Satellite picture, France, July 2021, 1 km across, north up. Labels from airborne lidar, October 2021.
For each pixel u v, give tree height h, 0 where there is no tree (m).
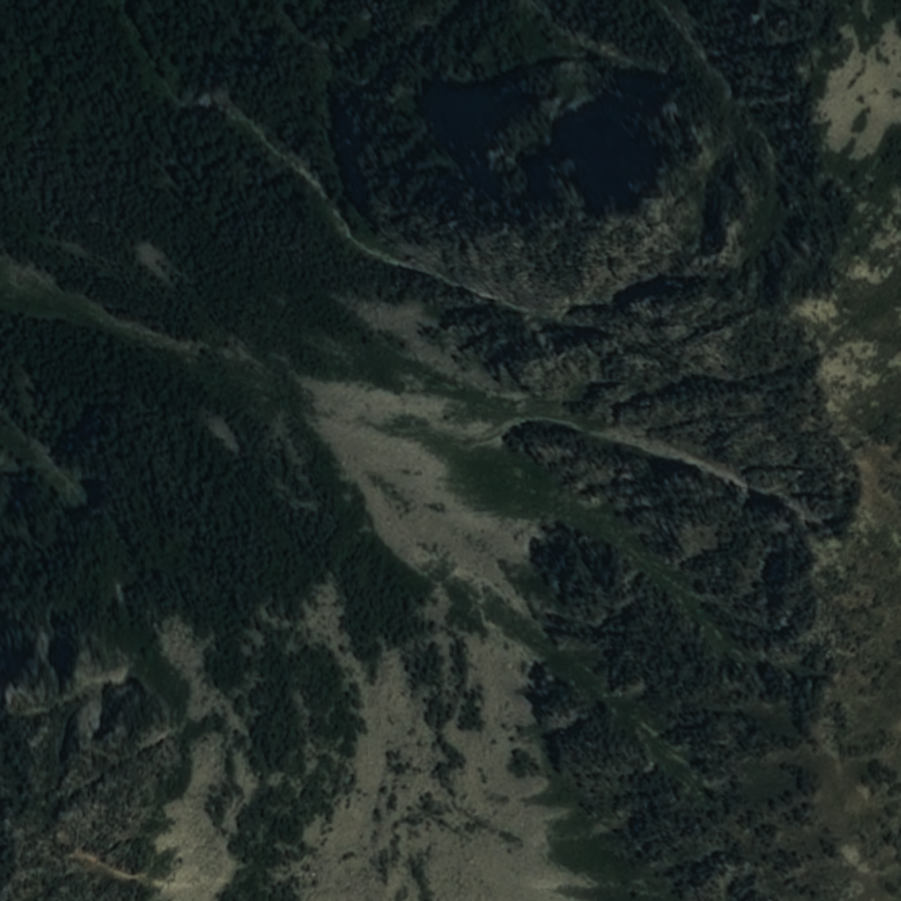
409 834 0
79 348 26
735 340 12
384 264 9
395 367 0
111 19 18
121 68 25
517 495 0
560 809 0
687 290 11
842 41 7
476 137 8
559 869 0
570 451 11
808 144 12
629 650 8
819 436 10
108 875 0
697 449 0
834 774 0
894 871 0
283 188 25
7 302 0
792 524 7
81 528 16
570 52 0
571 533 16
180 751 7
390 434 0
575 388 0
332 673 8
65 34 20
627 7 13
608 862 0
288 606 7
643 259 9
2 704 13
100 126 15
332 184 20
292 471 9
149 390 11
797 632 6
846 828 0
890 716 0
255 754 8
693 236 6
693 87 11
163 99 17
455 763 9
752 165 8
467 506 0
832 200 17
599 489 10
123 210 16
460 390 0
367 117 11
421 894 0
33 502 13
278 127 11
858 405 0
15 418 13
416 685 9
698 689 13
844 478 8
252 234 14
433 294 11
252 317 9
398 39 25
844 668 6
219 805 9
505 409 0
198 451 8
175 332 13
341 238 9
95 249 16
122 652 0
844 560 0
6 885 9
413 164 10
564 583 7
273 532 8
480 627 0
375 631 7
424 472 0
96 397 20
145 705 9
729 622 11
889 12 0
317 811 9
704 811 8
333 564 11
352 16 21
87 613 9
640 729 0
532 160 7
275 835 14
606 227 7
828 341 0
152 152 30
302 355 6
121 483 12
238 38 12
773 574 11
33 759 6
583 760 8
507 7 9
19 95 16
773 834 11
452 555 0
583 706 11
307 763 7
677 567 0
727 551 10
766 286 6
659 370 10
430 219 11
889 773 11
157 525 8
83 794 11
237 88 10
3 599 17
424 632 8
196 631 7
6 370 25
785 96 7
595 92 11
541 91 15
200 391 11
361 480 0
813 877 0
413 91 10
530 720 0
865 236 0
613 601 11
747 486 0
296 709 11
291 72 20
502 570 0
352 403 0
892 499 0
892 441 11
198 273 9
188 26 19
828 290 6
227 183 24
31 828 7
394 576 10
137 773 7
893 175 0
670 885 0
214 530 8
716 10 16
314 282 15
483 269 0
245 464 11
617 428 0
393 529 0
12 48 19
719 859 8
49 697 7
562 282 9
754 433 9
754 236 0
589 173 0
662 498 14
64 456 17
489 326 11
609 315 7
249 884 8
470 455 0
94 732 0
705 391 13
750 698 8
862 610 8
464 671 10
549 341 0
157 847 0
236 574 7
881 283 0
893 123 0
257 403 6
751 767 0
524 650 0
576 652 0
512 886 0
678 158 15
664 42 7
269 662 9
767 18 6
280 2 14
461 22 12
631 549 0
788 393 8
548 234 7
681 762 0
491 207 10
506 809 0
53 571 15
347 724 7
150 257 0
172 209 23
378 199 10
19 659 0
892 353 0
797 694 7
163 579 13
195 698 0
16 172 16
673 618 10
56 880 16
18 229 15
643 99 8
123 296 17
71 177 22
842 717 7
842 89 0
